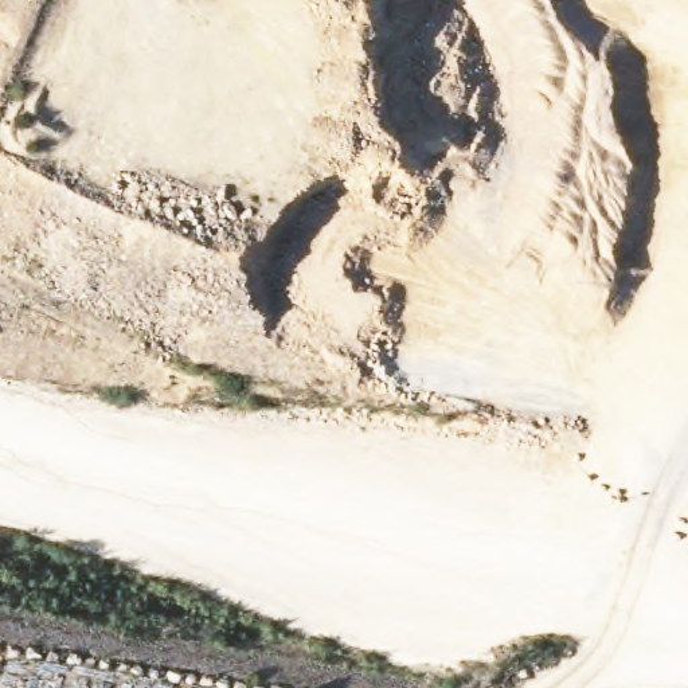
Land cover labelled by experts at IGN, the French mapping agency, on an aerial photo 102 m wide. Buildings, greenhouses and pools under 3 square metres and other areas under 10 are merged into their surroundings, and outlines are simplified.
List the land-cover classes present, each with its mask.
<instances>
[{"label":"pervious surface","instance_id":"1","mask_svg":"<svg viewBox=\"0 0 688 688\"><path fill-rule=\"evenodd\" d=\"M5 527H13L30 529L46 540H94L99 543V556L105 559L129 562L134 570L145 575H167L204 586L223 599H231L261 615L288 621L290 629L304 632L301 640L269 642L261 637L255 626L239 624L223 626V642H215L212 637L196 642H145L137 637H126L118 629L116 615H108V624H83L78 618L51 613H43V618H38L22 607L0 605V688H688V0H0V532Z\"/></svg>","mask_w":688,"mask_h":688},{"label":"brushwood","instance_id":"2","mask_svg":"<svg viewBox=\"0 0 688 688\"><path fill-rule=\"evenodd\" d=\"M0 605L22 607L38 618H43V613H51L78 618L83 624H108V615H116L118 629L126 637H137L145 642H196L212 637L215 642H223V626L239 624L255 626L261 637L269 642L301 640L304 632L290 629L288 621L261 615L231 599H223L204 586L167 575H145L134 570L129 562L105 559L99 556V543L94 540H46L30 529L13 527H5L0 532Z\"/></svg>","mask_w":688,"mask_h":688}]
</instances>
